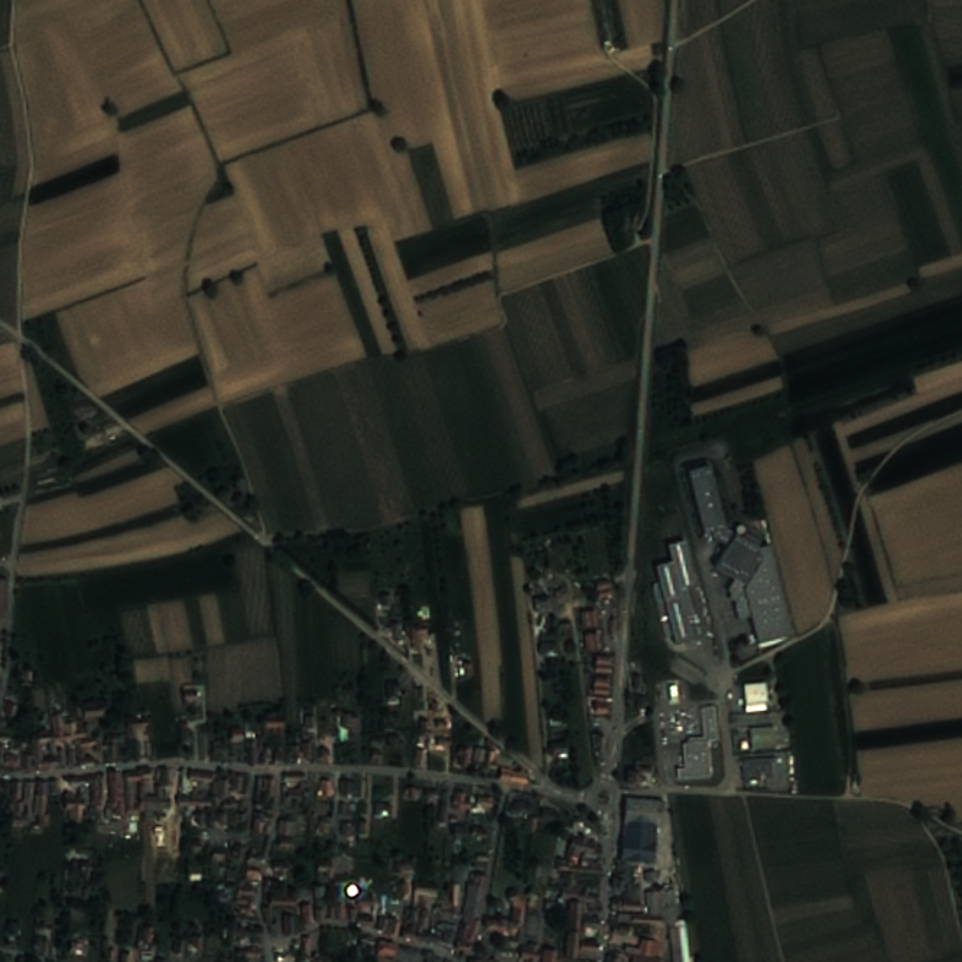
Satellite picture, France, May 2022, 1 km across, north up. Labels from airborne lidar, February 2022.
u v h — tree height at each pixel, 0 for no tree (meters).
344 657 0
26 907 0
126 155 0
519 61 0
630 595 0
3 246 0
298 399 0
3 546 0
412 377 0
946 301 0
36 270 0
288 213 0
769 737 0
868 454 0
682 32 0
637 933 0
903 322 0
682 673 0
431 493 0
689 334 0
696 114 0
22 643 0
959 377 0
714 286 0
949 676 0
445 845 0
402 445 0
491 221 0
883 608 0
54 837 0
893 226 0
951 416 0
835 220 0
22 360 0
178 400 0
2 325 0
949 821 10
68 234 0
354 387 0
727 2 0
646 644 0
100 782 0
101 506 0
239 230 0
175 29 0
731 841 0
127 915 8
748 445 0
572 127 0
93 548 0
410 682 0
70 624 0
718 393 0
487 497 0
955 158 0
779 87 0
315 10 0
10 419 0
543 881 0
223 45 0
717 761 0
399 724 0
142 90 0
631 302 0
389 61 0
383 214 0
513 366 0
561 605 0
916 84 0
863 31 0
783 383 0
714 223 0
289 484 0
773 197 0
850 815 0
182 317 0
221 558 0
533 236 0
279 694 0
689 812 0
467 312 0
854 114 0
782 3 0
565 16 0
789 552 0
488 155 0
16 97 0
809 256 0
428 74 0
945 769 0
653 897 0
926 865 0
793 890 0
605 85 0
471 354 0
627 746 0
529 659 0
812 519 0
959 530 0
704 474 0
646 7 0
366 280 0
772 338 0
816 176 0
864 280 0
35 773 0
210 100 0
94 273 0
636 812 0
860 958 0
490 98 0
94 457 0
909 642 0
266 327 0
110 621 0
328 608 0
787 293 0
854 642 0
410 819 0
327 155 0
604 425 0
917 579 0
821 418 0
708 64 0
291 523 0
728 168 0
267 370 0
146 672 0
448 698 0
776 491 0
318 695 0
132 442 0
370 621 16
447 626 0
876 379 0
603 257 0
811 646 0
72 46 0
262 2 0
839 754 0
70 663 0
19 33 0
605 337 0
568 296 0
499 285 0
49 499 0
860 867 0
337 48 0
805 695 0
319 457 0
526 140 0
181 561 0
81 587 0
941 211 0
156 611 0
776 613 0
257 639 0
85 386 0
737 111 0
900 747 0
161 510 0
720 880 0
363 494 0
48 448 0
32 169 0
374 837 0
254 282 0
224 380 0
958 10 0
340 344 0
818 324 0
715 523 0
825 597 0
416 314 0
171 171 0
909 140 0
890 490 0
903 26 0
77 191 0
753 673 0
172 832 0
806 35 0
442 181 0
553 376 0
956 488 0
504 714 0
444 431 0
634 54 0
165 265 0
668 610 0
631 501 0
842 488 0
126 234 0
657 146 0
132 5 0
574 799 0
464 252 0
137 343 0
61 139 0
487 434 0
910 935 0
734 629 0
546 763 0
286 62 0
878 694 0
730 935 0
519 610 0
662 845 0
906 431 0
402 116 0
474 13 0
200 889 9
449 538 0
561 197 0
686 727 0
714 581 0
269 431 0
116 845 0
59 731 0
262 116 0
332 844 6
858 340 0
